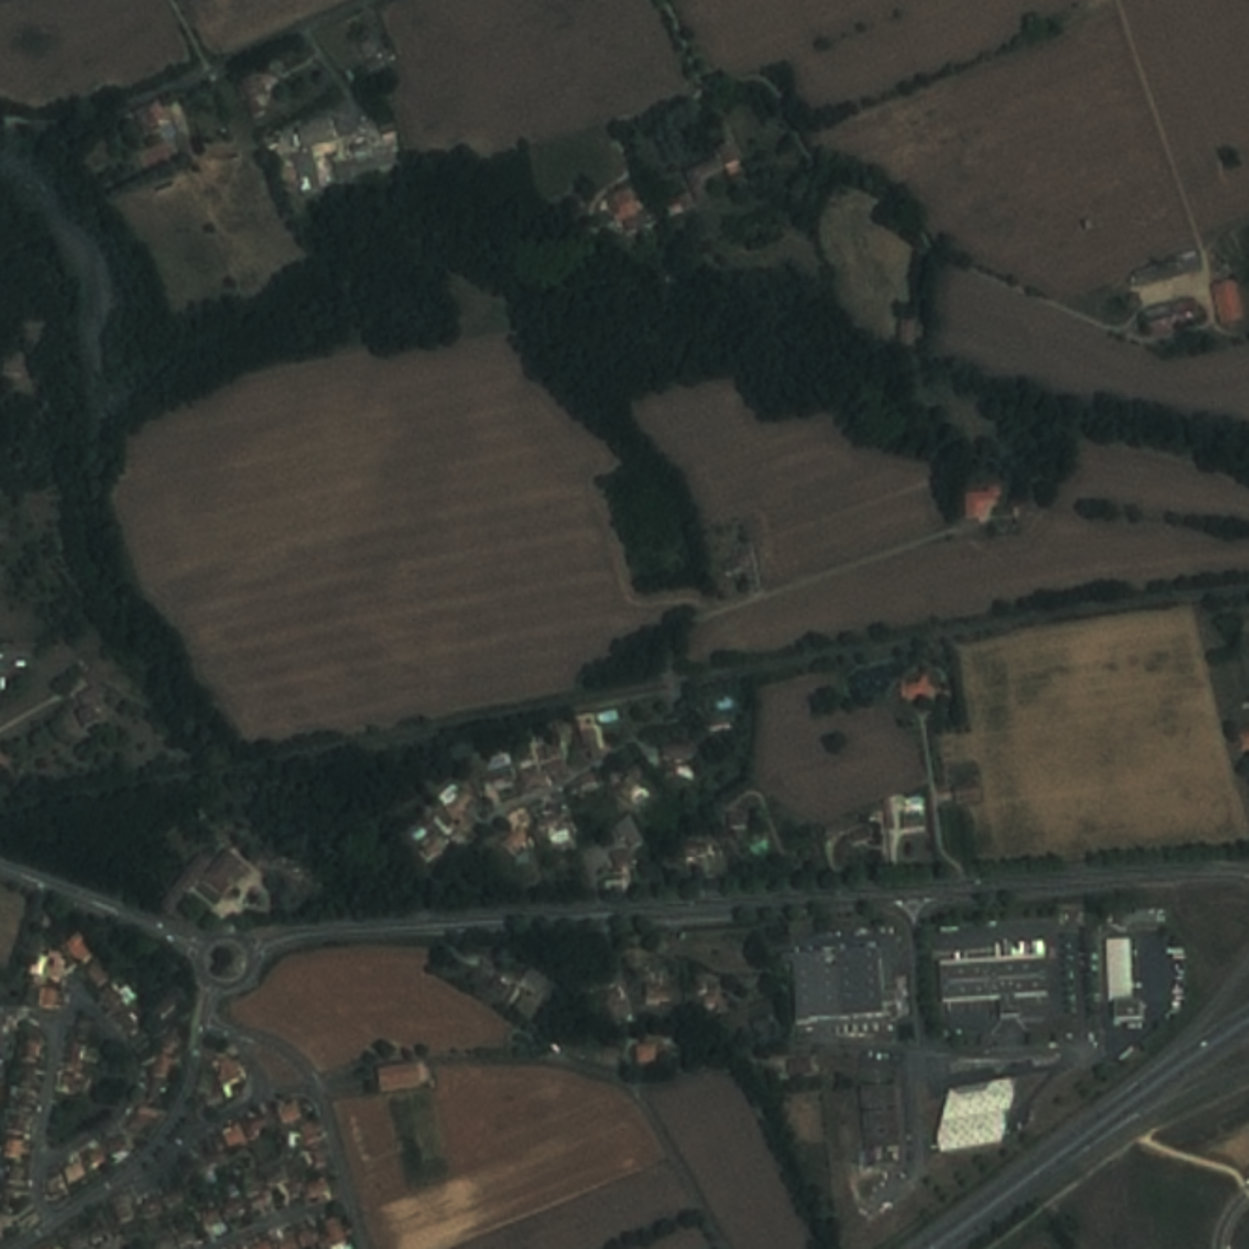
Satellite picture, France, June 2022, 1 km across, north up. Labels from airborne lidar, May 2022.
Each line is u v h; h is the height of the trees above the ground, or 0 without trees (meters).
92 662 0
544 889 20
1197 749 0
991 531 6
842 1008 0
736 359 21
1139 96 0
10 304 14
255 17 0
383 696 0
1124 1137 0
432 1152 0
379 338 21
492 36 0
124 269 24
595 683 12
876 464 0
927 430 15
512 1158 0
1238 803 0
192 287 0
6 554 11
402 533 0
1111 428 18
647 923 18
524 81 0
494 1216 0
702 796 8
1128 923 0
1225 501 0
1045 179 0
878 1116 0
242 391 0
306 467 0
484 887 18
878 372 23
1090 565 0
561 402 14
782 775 0
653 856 8
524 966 15
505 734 11
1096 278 0
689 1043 17
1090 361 0
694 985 9
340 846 31
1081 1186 0
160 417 10
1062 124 0
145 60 0
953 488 19
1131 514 16
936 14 0
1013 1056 0
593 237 8
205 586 0
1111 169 0
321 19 0
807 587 0
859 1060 0
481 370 0
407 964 0
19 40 0
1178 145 0
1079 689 0
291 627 0
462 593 0
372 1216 0
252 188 0
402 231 11
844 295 0
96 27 0
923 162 0
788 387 33
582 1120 0
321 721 0
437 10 0
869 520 0
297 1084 0
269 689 0
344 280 21
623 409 20
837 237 0
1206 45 0
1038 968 0
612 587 0
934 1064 0
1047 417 17
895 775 0
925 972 12
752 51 0
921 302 7
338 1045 0
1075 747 0
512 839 0
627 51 0
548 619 0
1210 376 0
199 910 21
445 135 0
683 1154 0
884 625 12
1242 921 0
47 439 8
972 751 0
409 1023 0
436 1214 0
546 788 0
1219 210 0
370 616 0
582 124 0
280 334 23
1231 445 29
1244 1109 0
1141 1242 0
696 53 13
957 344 0
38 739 15
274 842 14
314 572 0
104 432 13
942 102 0
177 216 0
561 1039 16
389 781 15
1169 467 0
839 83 0
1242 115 0
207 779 17
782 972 9
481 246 23
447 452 0
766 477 0
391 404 0
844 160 14
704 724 17
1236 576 12
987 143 0
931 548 0
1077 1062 0
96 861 17
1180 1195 0
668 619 12
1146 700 0
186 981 12
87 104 19
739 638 0
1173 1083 0
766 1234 0
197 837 11
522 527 0
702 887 10
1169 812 0
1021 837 0
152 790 14
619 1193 0
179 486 0
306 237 11
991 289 0
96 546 18
